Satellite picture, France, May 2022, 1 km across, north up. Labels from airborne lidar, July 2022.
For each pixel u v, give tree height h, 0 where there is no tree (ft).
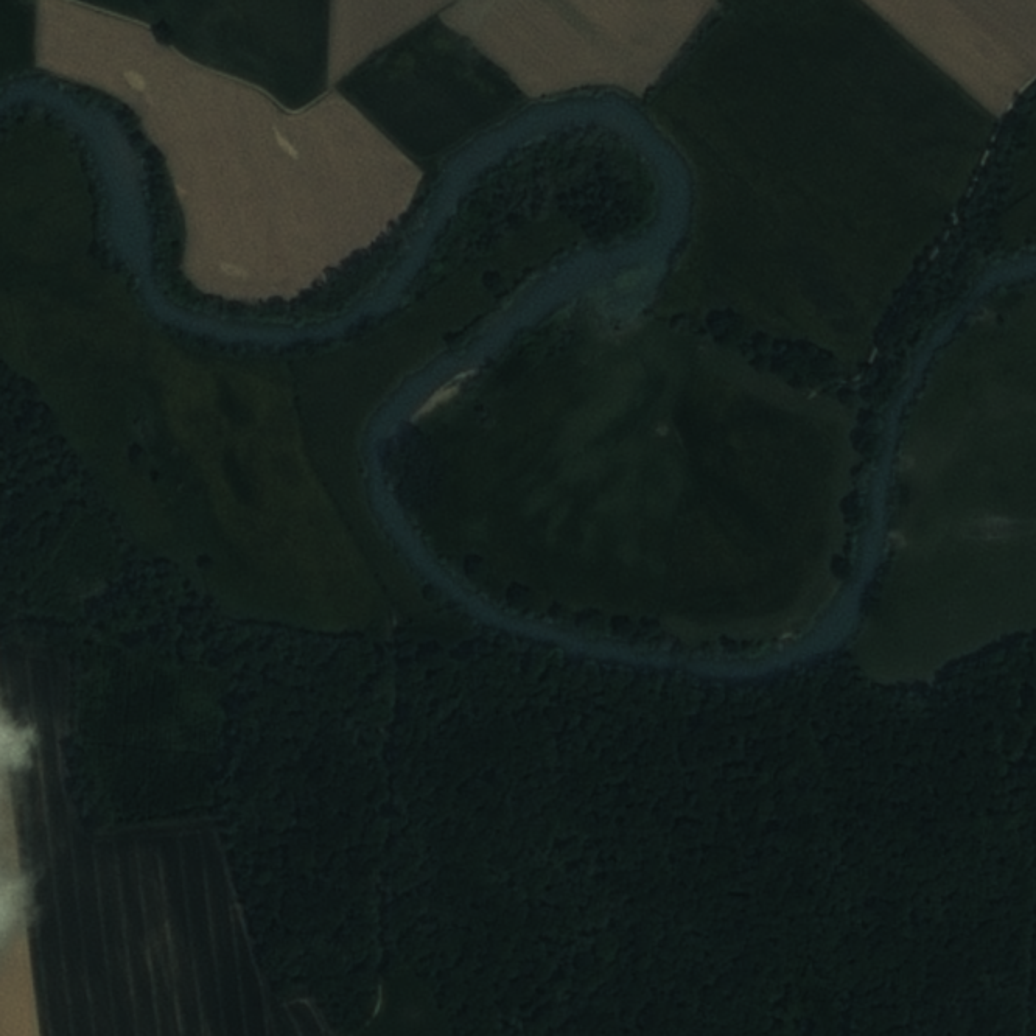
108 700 22
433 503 114
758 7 0
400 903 90
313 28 0
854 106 0
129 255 0
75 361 0
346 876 90
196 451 0
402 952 73
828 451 0
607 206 51
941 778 93
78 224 0
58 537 73
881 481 0
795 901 89
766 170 0
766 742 93
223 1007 0
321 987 85
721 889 78
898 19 0
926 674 0
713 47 0
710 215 0
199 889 0
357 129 0
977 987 75
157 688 23
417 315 0
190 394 0
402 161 0
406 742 81
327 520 0
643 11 0
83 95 33
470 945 87
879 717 81
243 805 89
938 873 69
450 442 0
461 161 0
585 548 0
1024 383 0
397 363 0
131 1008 0
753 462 0
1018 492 0
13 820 0
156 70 0
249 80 0
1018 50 0
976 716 94
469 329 23
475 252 35
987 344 0
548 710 79
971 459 0
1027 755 36
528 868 86
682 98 0
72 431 0
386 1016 0
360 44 0
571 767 82
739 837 72
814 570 0
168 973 0
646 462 0
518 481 0
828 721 86
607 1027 94
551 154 35
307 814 97
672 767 78
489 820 89
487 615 0
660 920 69
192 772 20
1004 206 42
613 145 47
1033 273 0
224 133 0
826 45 0
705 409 0
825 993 19
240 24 0
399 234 60
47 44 0
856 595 0
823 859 79
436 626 0
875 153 0
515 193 60
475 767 75
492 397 0
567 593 0
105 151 0
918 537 0
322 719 95
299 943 78
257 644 52
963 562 0
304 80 0
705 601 0
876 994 91
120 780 23
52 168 0
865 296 0
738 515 0
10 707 0
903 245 0
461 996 84
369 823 110
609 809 87
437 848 89
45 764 0
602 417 0
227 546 0
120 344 0
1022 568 0
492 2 0
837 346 0
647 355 0
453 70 0
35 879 0
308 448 0
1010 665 71
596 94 21
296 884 91
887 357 19
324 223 0
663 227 0
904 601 0
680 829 88
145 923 0
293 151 0
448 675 69
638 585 0
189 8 0
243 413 0
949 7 0
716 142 0
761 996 76
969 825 78
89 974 0
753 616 0
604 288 0
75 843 0
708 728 91
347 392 0
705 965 78
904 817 100
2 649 0
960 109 0
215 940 0
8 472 58
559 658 67
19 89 0
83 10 0
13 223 0
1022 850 73
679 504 0
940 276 56
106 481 0
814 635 0
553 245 0
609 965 79
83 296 0
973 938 81
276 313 44
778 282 0
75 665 33
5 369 59
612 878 86
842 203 0
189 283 32
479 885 92
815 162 0
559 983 88
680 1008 80
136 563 32
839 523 0
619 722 84
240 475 0
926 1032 81
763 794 93
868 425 66
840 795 76
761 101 0
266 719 90
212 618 41
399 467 96
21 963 0
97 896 0
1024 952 52
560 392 0
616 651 0
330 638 41
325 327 0
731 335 74
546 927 74
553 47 0
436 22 0
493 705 76
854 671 72
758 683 38
